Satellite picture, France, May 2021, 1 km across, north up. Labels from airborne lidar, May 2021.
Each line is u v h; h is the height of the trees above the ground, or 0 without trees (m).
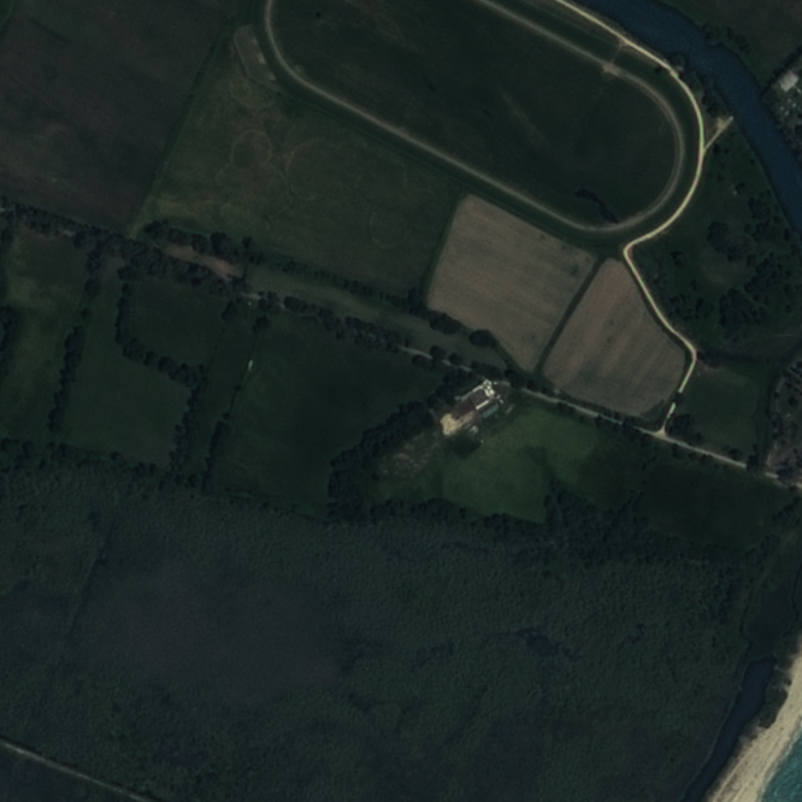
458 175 0
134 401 0
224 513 6
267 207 0
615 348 0
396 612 7
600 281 0
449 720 5
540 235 0
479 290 0
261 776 7
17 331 18
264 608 0
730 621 15
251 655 0
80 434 0
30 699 7
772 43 0
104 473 8
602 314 0
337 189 0
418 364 11
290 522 6
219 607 0
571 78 0
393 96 0
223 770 12
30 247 0
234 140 0
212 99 0
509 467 0
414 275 0
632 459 0
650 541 16
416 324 0
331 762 6
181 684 7
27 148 0
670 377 0
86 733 7
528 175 0
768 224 15
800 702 0
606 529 15
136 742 6
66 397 12
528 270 0
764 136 0
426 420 16
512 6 0
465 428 0
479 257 0
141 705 7
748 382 0
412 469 0
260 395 0
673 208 0
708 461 10
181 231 12
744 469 0
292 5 0
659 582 8
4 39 0
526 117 0
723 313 10
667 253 0
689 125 0
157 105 0
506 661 6
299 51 0
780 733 0
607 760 6
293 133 0
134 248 34
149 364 19
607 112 0
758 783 0
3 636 7
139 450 0
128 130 0
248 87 0
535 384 17
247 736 8
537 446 0
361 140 0
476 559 7
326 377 0
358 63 0
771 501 0
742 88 0
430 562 7
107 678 6
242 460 0
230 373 0
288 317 0
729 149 8
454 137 0
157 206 0
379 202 0
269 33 0
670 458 0
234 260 35
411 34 0
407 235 0
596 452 0
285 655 0
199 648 0
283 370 0
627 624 6
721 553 12
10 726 7
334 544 5
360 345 17
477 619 6
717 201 0
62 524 6
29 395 0
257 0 0
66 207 0
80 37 0
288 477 0
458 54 0
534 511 0
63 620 6
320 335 0
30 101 0
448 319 15
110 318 0
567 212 0
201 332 0
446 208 0
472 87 0
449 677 6
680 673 7
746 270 0
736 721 0
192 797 13
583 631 6
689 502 0
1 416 0
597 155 0
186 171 0
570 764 6
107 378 0
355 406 0
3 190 0
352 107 0
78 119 0
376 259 0
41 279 0
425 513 14
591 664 6
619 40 0
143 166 0
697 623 8
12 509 0
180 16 0
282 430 0
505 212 0
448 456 0
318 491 0
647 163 0
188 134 0
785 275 18
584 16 0
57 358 0
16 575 0
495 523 12
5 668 6
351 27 0
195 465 0
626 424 13
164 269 31
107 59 0
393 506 14
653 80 0
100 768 7
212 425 0
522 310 0
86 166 0
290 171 0
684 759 0
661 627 7
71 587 8
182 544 7
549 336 0
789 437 21
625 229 0
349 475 17
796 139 22
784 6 0
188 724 8
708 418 0
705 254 0
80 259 0
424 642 6
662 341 0
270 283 0
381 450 17
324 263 0
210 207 0
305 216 0
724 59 0
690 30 0
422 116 0
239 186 0
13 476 17
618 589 9
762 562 12
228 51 0
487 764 0
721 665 6
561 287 0
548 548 10
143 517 6
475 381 13
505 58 0
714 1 0
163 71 0
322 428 0
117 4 0
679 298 11
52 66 0
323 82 0
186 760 0
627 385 0
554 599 6
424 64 0
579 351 0
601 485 0
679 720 6
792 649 6
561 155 0
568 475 0
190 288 0
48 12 0
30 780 0
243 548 6
